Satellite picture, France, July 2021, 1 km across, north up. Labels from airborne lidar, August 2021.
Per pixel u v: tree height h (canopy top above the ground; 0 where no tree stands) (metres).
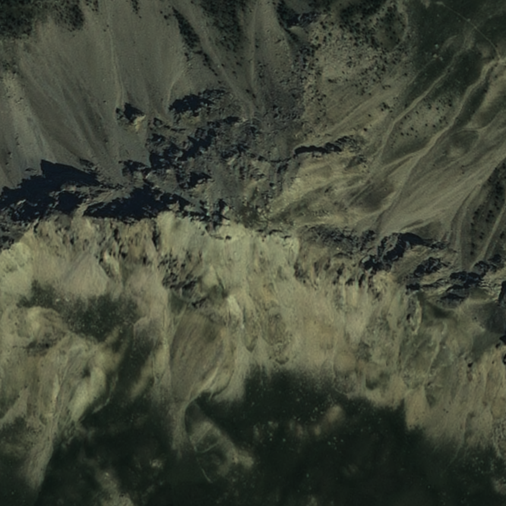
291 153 0
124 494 0
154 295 0
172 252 0
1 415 0
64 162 0
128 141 0
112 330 0
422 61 0
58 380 0
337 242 0
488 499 0
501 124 0
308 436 0
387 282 0
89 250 0
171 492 0
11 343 0
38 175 0
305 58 0
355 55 0
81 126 0
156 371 0
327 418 0
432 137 0
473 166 0
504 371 0
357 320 0
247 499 0
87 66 0
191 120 0
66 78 0
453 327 0
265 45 0
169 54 0
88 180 0
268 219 0
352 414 0
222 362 0
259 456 0
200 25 0
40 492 0
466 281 0
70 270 0
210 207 0
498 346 0
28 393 0
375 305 0
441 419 0
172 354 0
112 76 0
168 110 0
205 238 0
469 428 0
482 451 0
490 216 7
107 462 0
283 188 0
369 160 0
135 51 0
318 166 0
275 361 0
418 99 0
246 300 0
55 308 0
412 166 0
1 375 0
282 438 0
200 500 0
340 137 0
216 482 0
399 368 0
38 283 0
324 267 0
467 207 0
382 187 0
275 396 0
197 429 0
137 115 0
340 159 0
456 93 0
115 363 0
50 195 0
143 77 0
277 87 0
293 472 0
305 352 0
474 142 0
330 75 0
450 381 0
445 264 0
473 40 0
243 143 0
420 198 0
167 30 0
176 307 0
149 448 0
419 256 0
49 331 0
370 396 0
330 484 0
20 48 0
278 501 0
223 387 0
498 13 0
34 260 0
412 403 0
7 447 0
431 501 0
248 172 0
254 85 0
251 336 0
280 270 0
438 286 0
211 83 0
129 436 0
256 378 0
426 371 0
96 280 0
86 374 0
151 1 0
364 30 7
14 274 0
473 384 0
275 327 0
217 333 0
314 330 0
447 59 0
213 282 0
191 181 0
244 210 0
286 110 0
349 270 0
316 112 0
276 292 0
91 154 0
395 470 0
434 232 0
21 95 0
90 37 0
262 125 0
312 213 0
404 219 0
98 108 0
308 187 0
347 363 0
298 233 0
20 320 0
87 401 0
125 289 0
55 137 0
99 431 0
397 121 0
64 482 0
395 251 0
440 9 0
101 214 0
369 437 0
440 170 0
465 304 0
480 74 0
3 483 0
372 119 0
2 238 0
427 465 0
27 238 0
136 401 0
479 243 0
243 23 0
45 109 0
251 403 0
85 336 0
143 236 0
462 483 0
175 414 0
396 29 0
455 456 0
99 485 0
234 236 0
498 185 7
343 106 0
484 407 0
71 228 0
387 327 0
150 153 0
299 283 0
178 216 0
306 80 0
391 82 0
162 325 0
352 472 0
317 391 0
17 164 0
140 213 0
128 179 0
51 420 0
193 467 0
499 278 0
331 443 0
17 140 0
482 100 0
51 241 0
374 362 0
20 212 0
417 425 0
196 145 0
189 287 0
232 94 0
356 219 0
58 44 0
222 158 0
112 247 0
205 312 0
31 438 0
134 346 0
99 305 0
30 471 0
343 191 0
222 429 0
